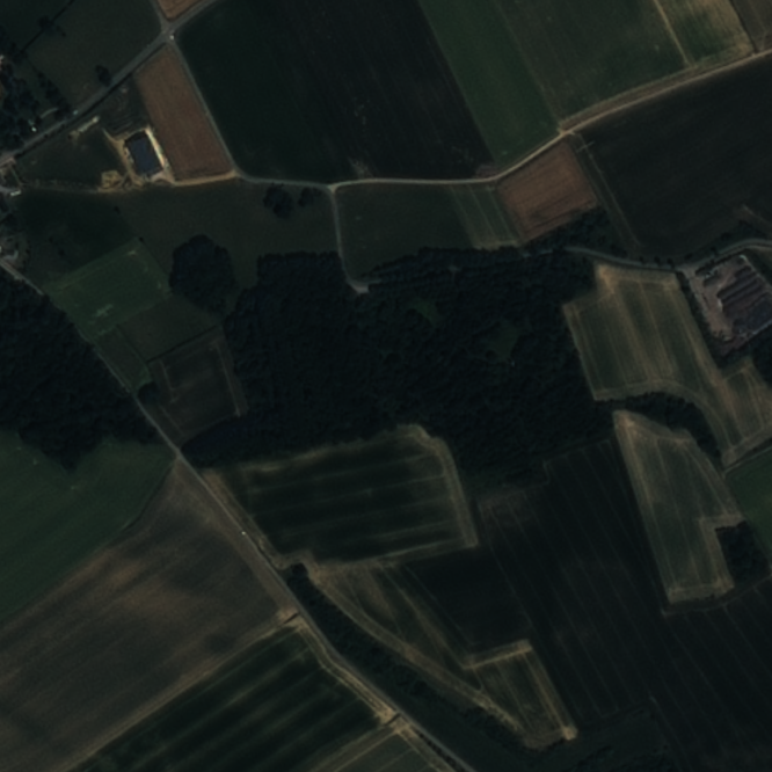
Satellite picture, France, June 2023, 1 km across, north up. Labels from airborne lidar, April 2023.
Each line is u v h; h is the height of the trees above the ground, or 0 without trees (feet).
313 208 0
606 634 0
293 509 0
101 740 0
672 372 0
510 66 0
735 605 0
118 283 0
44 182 0
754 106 0
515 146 0
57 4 0
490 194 0
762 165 0
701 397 0
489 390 22
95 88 0
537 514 0
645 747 0
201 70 0
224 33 0
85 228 0
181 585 0
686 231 0
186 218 0
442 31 0
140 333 0
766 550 0
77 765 0
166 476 0
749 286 0
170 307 0
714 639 0
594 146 0
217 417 0
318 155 0
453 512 0
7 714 0
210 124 0
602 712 0
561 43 0
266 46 0
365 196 0
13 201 0
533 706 0
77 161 0
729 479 0
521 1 0
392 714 0
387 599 0
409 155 0
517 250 40
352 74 0
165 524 0
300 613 0
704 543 0
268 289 81
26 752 0
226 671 0
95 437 57
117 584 0
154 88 0
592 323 0
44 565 0
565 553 0
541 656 0
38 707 0
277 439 54
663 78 0
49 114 0
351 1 0
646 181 0
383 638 0
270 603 0
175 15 0
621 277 0
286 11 0
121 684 0
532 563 0
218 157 0
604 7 0
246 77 0
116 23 0
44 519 0
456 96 0
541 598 0
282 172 0
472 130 0
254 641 0
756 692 0
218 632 0
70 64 0
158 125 0
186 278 73
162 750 0
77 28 0
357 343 60
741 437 0
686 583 0
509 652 0
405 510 0
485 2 0
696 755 0
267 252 0
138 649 0
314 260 41
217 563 0
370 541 0
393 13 0
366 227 0
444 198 0
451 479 0
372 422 78
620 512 0
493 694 0
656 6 0
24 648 0
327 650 0
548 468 0
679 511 0
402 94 0
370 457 0
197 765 0
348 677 0
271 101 0
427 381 39
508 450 26
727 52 0
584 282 30
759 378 0
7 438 0
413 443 0
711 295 0
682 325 0
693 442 0
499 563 0
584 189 0
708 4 0
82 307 0
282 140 0
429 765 0
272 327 107
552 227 0
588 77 0
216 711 0
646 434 0
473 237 0
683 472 0
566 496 0
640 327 0
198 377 0
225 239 0
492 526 0
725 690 0
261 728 0
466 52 0
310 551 0
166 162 0
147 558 0
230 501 0
